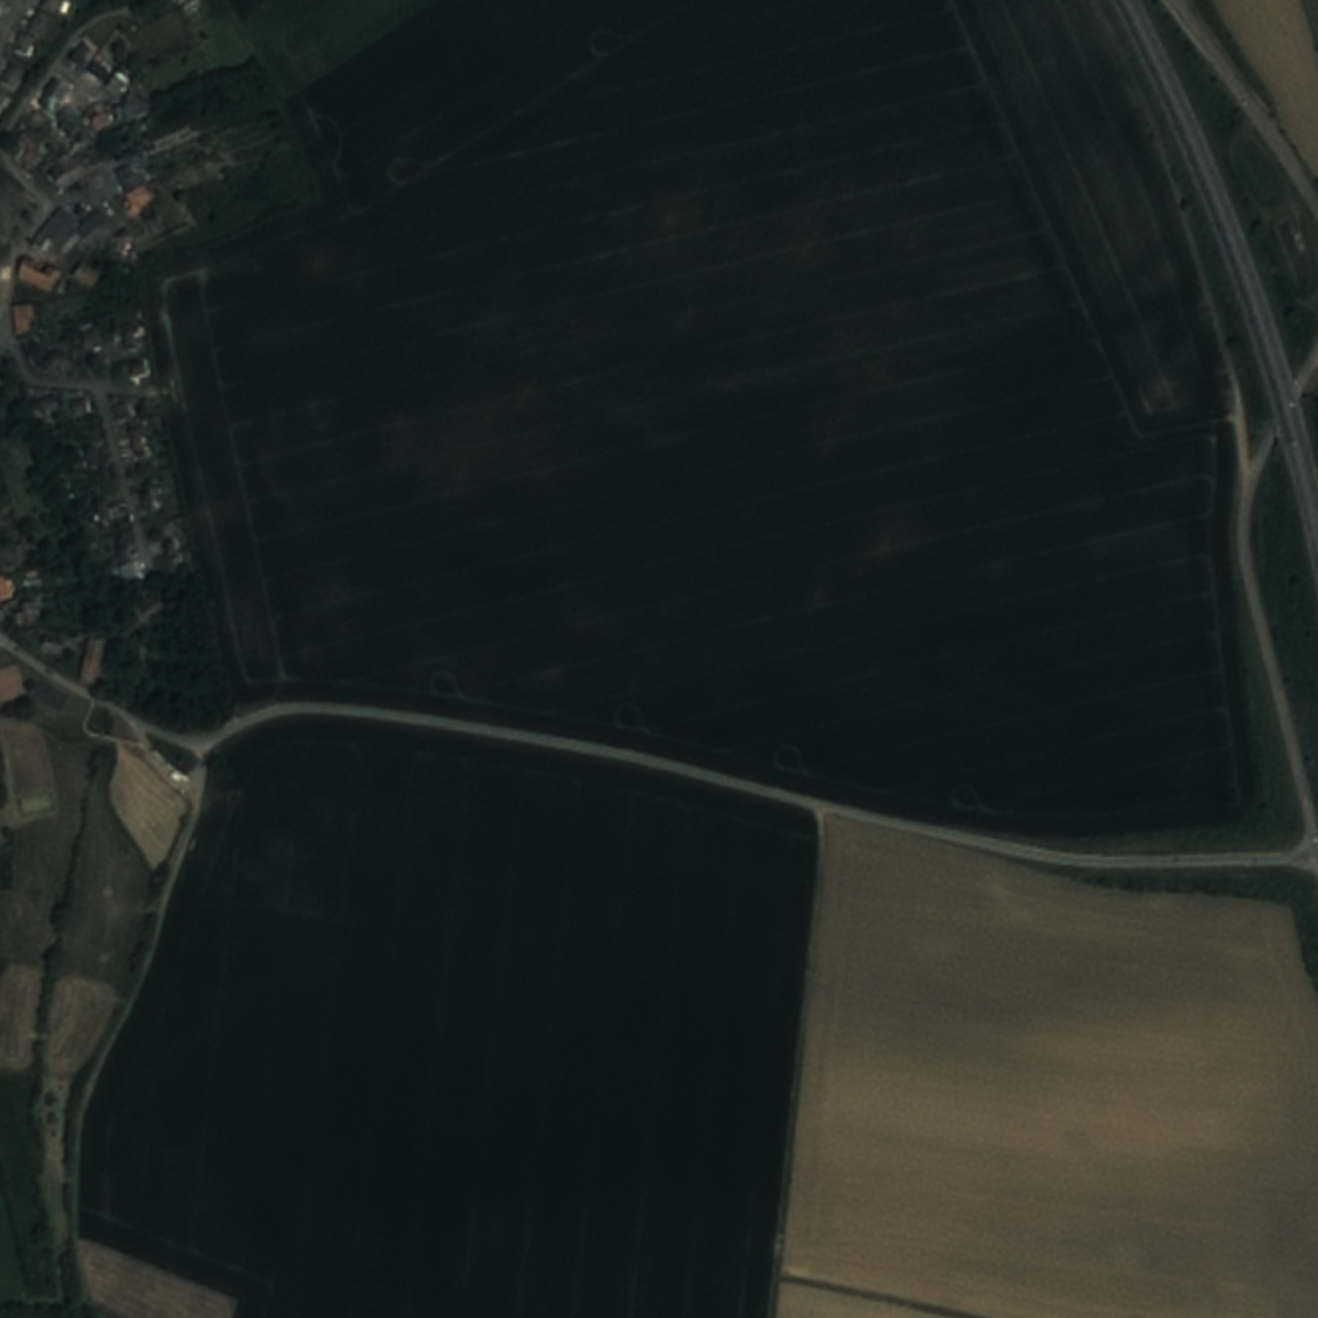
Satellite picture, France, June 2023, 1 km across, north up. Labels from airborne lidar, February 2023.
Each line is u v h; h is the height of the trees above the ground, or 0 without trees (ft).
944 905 0
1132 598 0
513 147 0
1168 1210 0
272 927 0
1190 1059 0
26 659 0
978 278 0
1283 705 0
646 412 0
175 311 0
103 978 0
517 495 0
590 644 0
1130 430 0
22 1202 0
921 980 0
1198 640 0
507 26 0
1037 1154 0
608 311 0
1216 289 0
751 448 0
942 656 0
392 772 0
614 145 0
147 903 0
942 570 0
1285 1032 0
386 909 0
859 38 0
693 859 0
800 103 0
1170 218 0
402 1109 0
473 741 0
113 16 0
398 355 0
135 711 27
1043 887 0
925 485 0
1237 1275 0
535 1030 0
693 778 0
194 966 0
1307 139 0
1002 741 0
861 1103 0
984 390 0
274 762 0
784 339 0
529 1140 0
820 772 0
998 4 0
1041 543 0
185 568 21
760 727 0
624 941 0
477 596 0
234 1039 0
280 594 0
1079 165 0
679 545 0
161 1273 0
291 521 0
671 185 0
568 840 0
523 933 0
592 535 0
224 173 22
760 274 0
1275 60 0
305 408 0
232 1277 0
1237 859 0
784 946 0
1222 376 0
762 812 0
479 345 0
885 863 0
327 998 0
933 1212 0
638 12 0
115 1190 0
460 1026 0
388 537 0
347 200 0
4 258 0
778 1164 0
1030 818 0
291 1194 0
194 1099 0
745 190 0
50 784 0
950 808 0
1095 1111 0
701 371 0
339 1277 0
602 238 0
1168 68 0
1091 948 0
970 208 0
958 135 0
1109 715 0
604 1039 0
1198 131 0
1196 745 0
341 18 0
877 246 0
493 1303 0
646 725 0
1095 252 0
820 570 0
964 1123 0
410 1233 0
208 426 0
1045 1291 0
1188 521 0
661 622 0
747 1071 0
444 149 0
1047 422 0
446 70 0
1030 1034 0
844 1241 0
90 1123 0
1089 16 0
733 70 0
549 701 0
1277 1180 0
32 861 0
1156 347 0
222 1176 0
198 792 0
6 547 30
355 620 0
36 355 38
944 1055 0
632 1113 0
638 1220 0
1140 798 0
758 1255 0
